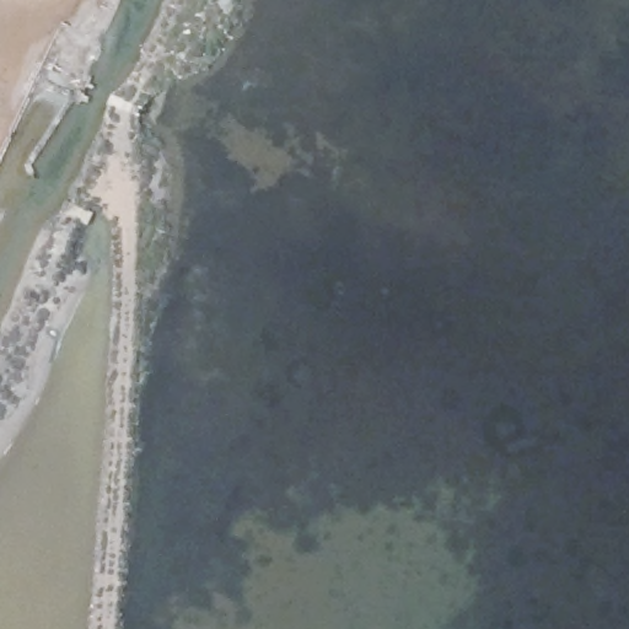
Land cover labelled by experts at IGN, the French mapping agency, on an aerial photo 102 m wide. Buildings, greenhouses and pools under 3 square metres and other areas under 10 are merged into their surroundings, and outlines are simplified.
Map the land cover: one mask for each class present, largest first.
<instances>
[{"label":"water","instance_id":"1","mask_svg":"<svg viewBox=\"0 0 629 629\"><path fill-rule=\"evenodd\" d=\"M86 0H0V319L12 300V290L22 275L27 253L39 229L69 201V184L76 179L81 162L93 143V135L101 128L108 96L133 71L140 57V44L147 39L152 29L162 0H120L108 29L101 32V52L98 59L91 64L88 74L91 86L84 88L86 101L66 106L61 123L57 125L49 143L34 160L32 174H27L25 160L52 118V106L44 101L27 103L25 98L12 93V88L22 76L27 49L34 42L52 37L54 32H61L66 25H71L79 7ZM243 37L236 39L226 61L219 64V69L211 76L206 71H199L192 79L172 84L165 96L162 113L157 115L160 143L165 138H177L182 147L184 201L179 214L189 219V231L184 238L172 243L179 251V258L167 268V275L162 278V285L157 290L167 300V307L162 310L160 322L152 332L150 349L138 351L147 364V378L143 386L133 388L128 445L130 464L125 477L123 526L125 550L115 622L118 629H629V0H256L251 20L241 27ZM79 260H86L88 265L86 295L71 324L64 332L61 351L49 354V376L37 405L25 418L20 432L12 440L10 452L0 457V629H88L96 501L106 435V369L113 283L111 224L106 214L86 233V243L79 253Z\"/></svg>","mask_w":629,"mask_h":629},{"label":"pervious surface","instance_id":"2","mask_svg":"<svg viewBox=\"0 0 629 629\"><path fill-rule=\"evenodd\" d=\"M120 0H86L79 7L71 25H66L61 32H54L52 37L34 42L27 49L22 76L12 88V93L25 98L27 103L44 101L52 106V118L25 160L27 174H32L34 160L49 143L57 125L61 123L66 106L86 101L84 88L91 86L88 74L91 64L98 59L101 52V32L108 29ZM182 10L179 0H162L152 29L147 39L140 44V57L133 71L108 96L101 128L93 135V143L81 162L76 179L69 184V201L39 229L27 253L22 275L12 290V300L0 319V457L10 452L12 440L20 432L25 418L37 405L49 376V354L61 351L64 332L71 324L86 295L88 265L86 260H79V253L86 243V233L106 214L111 224L113 283L106 369V435L96 501L88 629H118L115 622L125 550L123 526L125 477L130 464L128 445L133 388L130 378L135 359V258L140 167L135 162L130 143V120L140 111V103L145 98V84L155 71V61L165 57L167 34L174 27L177 12ZM167 162L155 160L150 189L152 201L160 204L167 194L160 182Z\"/></svg>","mask_w":629,"mask_h":629},{"label":"brushwood","instance_id":"3","mask_svg":"<svg viewBox=\"0 0 629 629\"><path fill-rule=\"evenodd\" d=\"M256 0H179L182 10L177 12L174 27L167 34L165 57L155 61V71L145 84V98L140 103V111L130 120V143L135 162L140 167L135 258V359L130 378L133 388L143 386L147 378V364L138 351L150 349L152 332L160 322L162 310L167 307V300L157 290L162 285V278L167 275V268L179 258V251L172 243L184 238L189 231V219L179 214L184 201L182 147L177 138H165L160 143L157 115L162 113L165 96L172 84L192 79L199 71H206L211 76L219 69V64L226 61L236 39L243 37L241 27L251 20ZM155 160L167 162L160 182L167 194L160 204L152 201L150 189Z\"/></svg>","mask_w":629,"mask_h":629}]
</instances>
